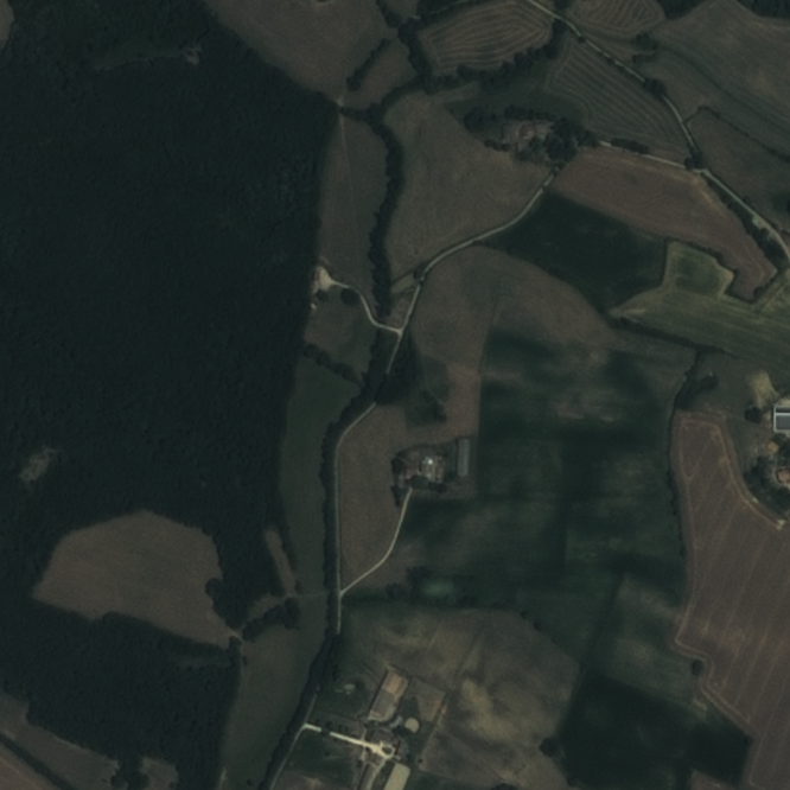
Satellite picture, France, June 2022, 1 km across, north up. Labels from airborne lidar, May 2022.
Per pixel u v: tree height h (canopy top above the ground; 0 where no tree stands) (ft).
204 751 73
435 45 0
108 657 61
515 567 0
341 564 0
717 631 0
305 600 0
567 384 0
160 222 32
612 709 0
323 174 37
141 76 48
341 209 0
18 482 78
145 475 69
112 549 0
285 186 64
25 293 50
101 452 71
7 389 67
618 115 0
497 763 0
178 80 54
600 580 0
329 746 0
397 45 0
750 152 0
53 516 34
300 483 0
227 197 38
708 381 22
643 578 0
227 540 61
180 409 24
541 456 0
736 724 0
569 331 0
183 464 92
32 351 91
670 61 0
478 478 0
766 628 0
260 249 43
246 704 0
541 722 0
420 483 48
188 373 22
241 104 62
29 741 0
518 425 0
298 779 0
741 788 0
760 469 27
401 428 0
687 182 0
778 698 0
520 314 0
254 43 0
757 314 0
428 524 0
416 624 0
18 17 35
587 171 0
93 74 40
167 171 28
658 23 0
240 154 55
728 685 0
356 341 0
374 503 0
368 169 0
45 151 26
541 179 0
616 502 0
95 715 88
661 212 0
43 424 63
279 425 42
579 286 0
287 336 53
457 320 0
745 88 0
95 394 94
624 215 0
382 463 0
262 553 63
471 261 0
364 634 0
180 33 30
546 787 0
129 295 39
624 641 0
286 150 68
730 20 0
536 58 39
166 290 46
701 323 0
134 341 46
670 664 0
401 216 0
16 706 0
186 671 36
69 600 0
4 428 63
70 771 0
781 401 0
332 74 0
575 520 0
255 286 37
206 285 56
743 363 0
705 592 0
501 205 0
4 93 59
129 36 29
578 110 0
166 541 0
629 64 0
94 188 49
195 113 52
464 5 22
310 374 0
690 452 0
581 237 0
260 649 0
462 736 0
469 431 0
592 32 0
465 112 0
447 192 0
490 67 0
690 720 0
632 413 0
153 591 0
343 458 0
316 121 55
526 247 0
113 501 60
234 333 50
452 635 0
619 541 0
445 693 0
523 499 0
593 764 0
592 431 0
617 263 0
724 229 0
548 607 0
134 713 77
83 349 65
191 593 0
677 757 0
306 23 0
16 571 36
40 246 40
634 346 0
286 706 0
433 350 0
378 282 71
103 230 26
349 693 0
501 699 0
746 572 0
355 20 0
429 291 0
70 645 51
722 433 0
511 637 0
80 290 31
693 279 0
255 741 0
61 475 36
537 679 0
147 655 81
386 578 0
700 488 0
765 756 0
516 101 0
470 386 0
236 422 33
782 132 0
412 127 0
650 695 0
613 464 0
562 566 0
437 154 0
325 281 0
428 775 0
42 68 56
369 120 42
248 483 68
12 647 45
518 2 0
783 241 0
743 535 0
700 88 0
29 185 38
